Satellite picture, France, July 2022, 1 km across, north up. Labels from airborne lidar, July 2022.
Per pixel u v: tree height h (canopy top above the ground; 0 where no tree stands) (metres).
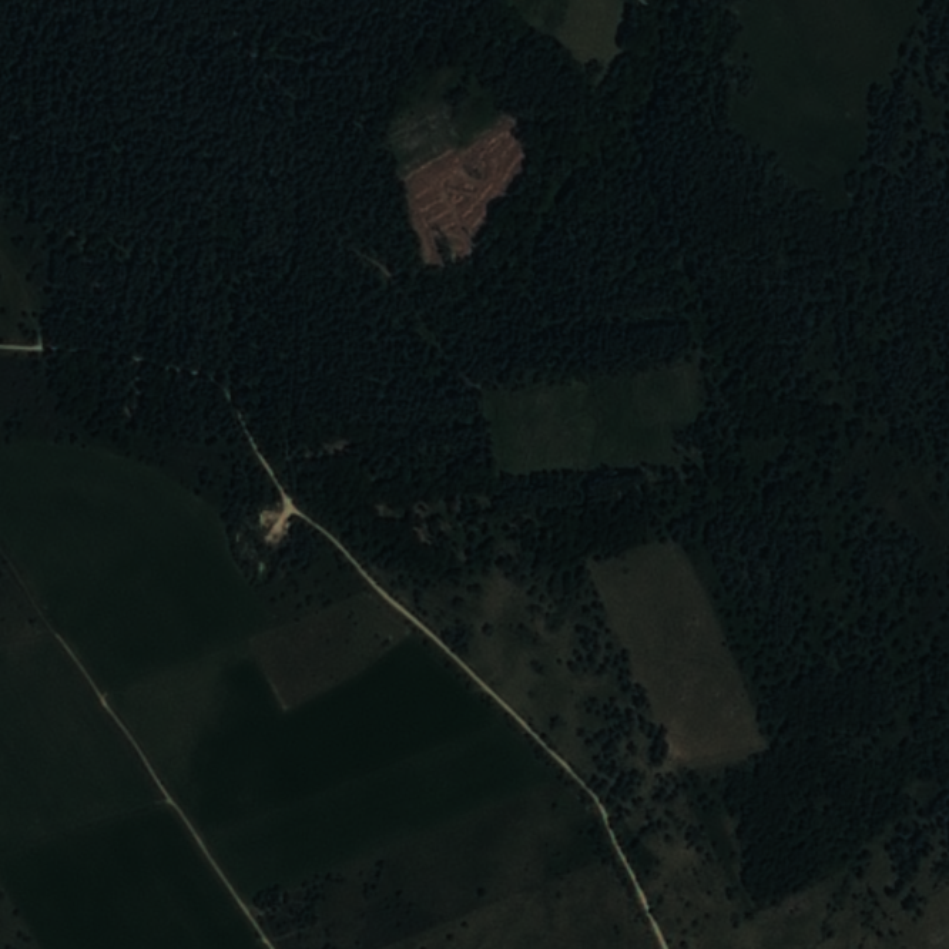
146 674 0
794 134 0
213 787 0
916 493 0
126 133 18
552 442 0
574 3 0
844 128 0
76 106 21
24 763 0
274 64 22
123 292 19
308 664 0
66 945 0
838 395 0
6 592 0
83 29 25
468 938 0
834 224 13
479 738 0
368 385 18
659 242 20
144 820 0
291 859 0
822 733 16
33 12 12
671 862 0
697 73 14
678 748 0
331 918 0
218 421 13
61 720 0
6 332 0
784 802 11
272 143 25
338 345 19
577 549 10
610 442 0
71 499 0
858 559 10
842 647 11
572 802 0
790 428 14
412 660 0
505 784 0
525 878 0
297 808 0
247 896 0
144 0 21
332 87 24
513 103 18
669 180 20
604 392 0
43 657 0
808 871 8
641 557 0
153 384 15
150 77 21
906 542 13
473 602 0
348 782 0
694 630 0
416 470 12
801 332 19
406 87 18
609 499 11
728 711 0
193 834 0
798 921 0
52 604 0
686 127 18
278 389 17
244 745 0
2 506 0
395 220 17
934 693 14
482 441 22
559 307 21
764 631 7
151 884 0
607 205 13
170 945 0
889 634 10
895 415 16
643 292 17
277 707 0
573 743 0
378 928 0
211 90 21
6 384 0
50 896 0
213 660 0
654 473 11
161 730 0
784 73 0
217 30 23
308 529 10
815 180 0
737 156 13
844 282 14
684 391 0
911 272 18
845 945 0
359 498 11
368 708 0
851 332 15
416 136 0
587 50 0
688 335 19
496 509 12
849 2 0
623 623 0
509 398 0
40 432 0
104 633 0
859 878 10
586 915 0
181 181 22
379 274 10
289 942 0
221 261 19
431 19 27
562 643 0
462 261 14
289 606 0
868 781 10
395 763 0
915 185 12
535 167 17
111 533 0
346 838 0
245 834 0
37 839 0
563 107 19
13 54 20
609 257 18
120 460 0
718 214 18
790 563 16
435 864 0
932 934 0
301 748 0
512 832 0
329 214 21
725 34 16
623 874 6
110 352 18
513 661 0
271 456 12
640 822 0
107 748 0
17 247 9
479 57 14
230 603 0
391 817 0
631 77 21
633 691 12
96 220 19
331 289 18
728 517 12
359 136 21
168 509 0
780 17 0
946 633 0
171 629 0
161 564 0
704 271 17
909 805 15
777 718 11
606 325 16
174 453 0
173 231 23
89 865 0
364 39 27
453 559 12
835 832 11
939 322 11
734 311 17
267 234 26
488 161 0
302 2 25
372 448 13
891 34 0
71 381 12
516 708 0
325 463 13
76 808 0
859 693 13
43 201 16
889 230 9
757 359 16
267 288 10
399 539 18
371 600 0
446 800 0
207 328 19
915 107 8
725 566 16
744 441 9
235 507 9
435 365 12
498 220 22
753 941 0
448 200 0
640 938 0
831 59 0
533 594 6
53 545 0
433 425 14
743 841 10
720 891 0
